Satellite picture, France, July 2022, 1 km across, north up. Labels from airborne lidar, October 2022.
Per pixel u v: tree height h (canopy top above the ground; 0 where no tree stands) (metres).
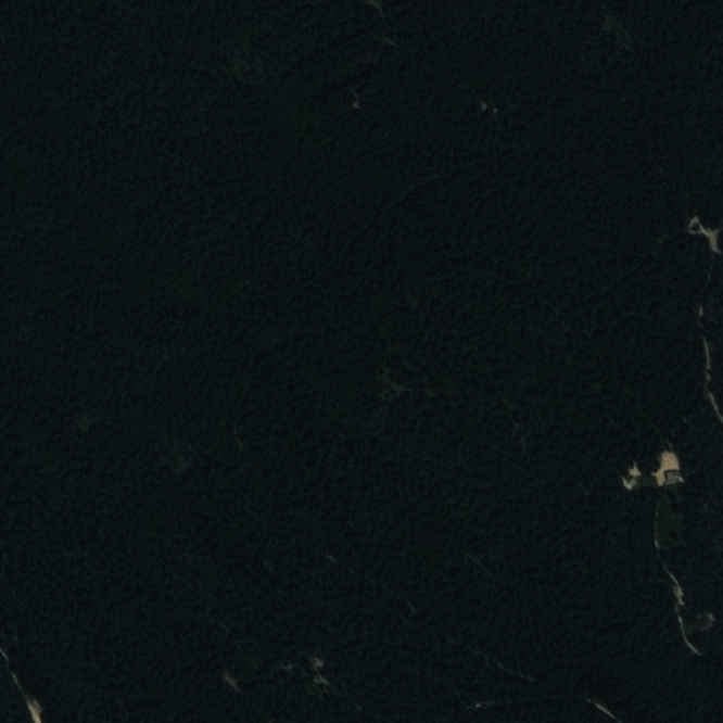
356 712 21
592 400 16
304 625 8
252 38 8
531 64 20
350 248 22
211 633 17
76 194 21
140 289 21
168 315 26
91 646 14
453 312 15
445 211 19
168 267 17
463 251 16
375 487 15
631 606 8
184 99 14
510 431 18
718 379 12
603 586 14
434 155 20
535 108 10
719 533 13
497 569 20
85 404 18
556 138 20
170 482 22
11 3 23
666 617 15
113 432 22
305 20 8
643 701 20
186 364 21
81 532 13
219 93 22
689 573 28
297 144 17
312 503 20
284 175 20
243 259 19
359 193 18
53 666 17
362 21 7
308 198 22
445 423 14
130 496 25
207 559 14
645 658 22
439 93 14
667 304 22
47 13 19
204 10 16
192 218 18
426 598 22
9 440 18
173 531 15
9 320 24
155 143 22
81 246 13
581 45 19
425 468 20
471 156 21
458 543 15
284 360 17
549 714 20
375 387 10
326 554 13
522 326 25
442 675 18
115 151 19
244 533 6
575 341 15
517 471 18
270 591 10
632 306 13
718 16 18
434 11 21
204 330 26
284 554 21
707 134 18
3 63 21
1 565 8
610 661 7
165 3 18
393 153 18
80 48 19
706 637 21
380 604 12
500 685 12
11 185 21
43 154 18
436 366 15
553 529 14
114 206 20
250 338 17
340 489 14
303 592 28
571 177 16
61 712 7
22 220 22
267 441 16
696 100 9
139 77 17
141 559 17
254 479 6
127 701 22
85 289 14
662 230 16
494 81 12
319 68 23
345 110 22
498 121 8
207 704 16
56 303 18
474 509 10
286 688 22
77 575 7
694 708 20
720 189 13
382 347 11
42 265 20
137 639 16
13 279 20
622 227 19
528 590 15
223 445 17
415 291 14
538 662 10
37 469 21
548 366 16
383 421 12
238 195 17
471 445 24
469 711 14
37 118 10
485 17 20
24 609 13
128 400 25
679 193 19
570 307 11
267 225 20
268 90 12
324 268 23
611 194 19
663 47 21
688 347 23
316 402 17
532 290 10
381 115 15
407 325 16
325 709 22
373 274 18
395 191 15
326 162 17
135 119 20
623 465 15
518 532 18
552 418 14
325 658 6
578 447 16
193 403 21
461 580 13
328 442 15
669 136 19
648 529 18
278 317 17
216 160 18
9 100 17
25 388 20
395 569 24
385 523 12
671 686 19
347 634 17
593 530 22
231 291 18
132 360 26
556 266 12
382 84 17
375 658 14
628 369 12
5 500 6
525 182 25
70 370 21
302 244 17
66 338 27
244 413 8
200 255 16
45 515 14
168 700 16
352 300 21
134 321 19
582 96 18
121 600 18
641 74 19
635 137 17
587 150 18
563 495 11
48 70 21
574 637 21
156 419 26
